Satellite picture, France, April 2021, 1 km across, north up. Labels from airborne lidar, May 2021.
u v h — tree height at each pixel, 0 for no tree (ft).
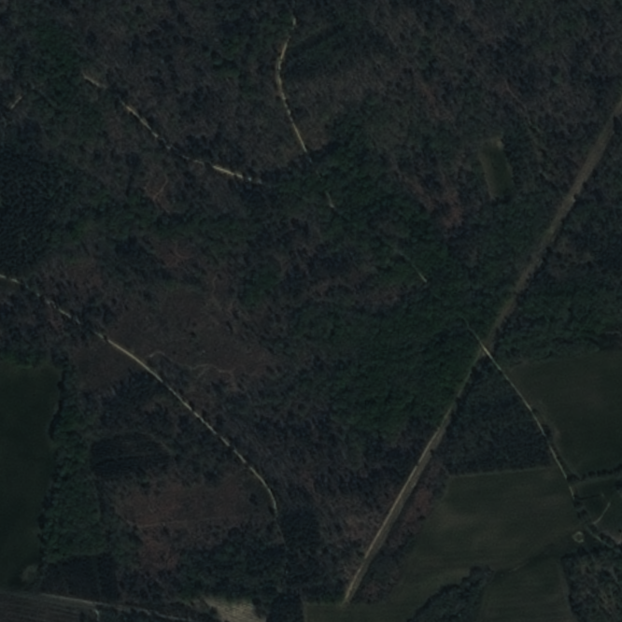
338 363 34
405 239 43
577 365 0
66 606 0
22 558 0
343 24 55
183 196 60
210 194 26
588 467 0
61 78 38
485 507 0
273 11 40
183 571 47
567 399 0
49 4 45
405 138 29
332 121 45
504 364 41
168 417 38
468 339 80
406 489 0
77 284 26
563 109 59
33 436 0
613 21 55
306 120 46
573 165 50
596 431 0
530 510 0
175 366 55
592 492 0
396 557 39
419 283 48
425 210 63
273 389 31
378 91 36
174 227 75
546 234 59
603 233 48
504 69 67
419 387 81
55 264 42
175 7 45
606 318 72
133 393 65
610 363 0
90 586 19
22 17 44
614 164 34
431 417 60
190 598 67
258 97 58
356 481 54
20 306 80
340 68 41
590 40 26
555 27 60
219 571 69
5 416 0
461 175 39
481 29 38
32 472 0
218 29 22
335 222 63
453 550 0
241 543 34
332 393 69
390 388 62
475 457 46
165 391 60
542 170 70
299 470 32
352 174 74
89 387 0
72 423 81
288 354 42
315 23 43
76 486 42
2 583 0
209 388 29
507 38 34
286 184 79
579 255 40
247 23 95
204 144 47
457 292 61
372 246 78
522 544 0
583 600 25
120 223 64
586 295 77
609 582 48
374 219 76
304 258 60
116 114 22
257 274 48
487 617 0
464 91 52
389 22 60
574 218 48
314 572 43
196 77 22
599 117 54
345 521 38
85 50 42
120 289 31
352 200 67
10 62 49
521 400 45
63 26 39
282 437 52
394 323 54
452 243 75
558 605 0
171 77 19
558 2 19
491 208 39
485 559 0
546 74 34
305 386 53
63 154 40
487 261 49
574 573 37
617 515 0
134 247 76
